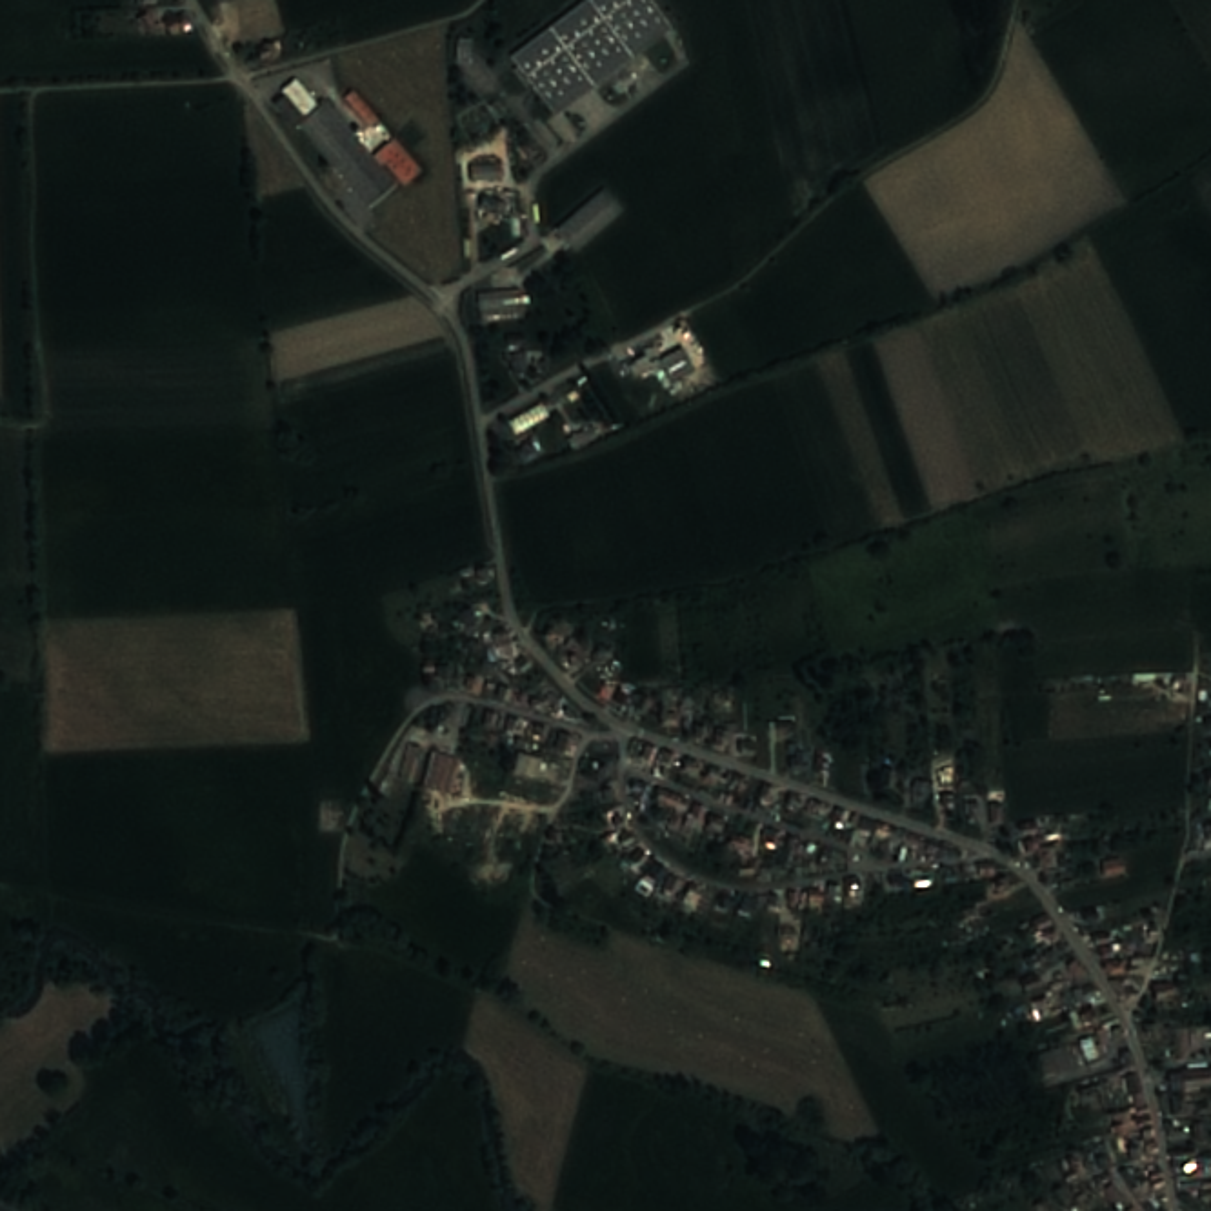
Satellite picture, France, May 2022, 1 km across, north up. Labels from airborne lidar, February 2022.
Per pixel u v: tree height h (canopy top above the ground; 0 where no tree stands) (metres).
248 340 0
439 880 0
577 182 0
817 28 0
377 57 0
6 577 0
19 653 0
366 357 0
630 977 0
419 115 0
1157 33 0
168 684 0
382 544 0
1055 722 0
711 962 0
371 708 0
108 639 0
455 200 0
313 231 0
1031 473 0
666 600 8
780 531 0
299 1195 0
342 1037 0
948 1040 0
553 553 0
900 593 0
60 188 0
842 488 0
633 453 0
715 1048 0
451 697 0
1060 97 0
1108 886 0
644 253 0
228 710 0
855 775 0
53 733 0
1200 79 0
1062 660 0
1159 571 0
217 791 0
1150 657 0
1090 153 0
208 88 0
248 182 14
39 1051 0
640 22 0
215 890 0
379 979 0
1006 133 0
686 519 0
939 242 0
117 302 0
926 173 0
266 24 0
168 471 0
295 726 0
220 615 0
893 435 0
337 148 0
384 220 0
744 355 0
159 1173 0
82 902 0
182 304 0
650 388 0
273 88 0
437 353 0
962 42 0
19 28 0
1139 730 0
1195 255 0
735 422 0
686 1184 0
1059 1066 0
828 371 0
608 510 0
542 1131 0
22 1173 21
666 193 0
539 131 0
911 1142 0
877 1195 0
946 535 0
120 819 0
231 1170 0
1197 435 9
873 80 0
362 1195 0
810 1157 16
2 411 13
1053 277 0
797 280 0
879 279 0
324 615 0
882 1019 0
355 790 0
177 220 0
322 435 0
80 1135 0
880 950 0
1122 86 0
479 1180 0
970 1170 0
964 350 0
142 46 0
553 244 0
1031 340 0
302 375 0
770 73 0
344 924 13
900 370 0
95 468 0
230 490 0
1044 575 0
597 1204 0
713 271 0
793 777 0
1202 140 0
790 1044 0
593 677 0
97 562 0
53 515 0
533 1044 0
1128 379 0
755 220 0
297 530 0
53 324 0
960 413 0
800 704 0
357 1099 0
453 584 0
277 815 0
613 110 0
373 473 0
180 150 0
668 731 0
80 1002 0
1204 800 0
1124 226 0
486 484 0
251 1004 0
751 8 0
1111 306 0
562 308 0
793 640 0
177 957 0
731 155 0
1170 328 0
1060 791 0
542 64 0
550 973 0
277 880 0
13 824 0
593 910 0
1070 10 0
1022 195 0
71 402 0
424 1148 0
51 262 0
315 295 0
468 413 0
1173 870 0
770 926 0
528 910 0
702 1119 0
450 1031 0
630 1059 0
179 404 0
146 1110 0
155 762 0
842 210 0
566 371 0
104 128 0
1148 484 0
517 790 0
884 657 6
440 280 0
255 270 0
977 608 0
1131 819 0
